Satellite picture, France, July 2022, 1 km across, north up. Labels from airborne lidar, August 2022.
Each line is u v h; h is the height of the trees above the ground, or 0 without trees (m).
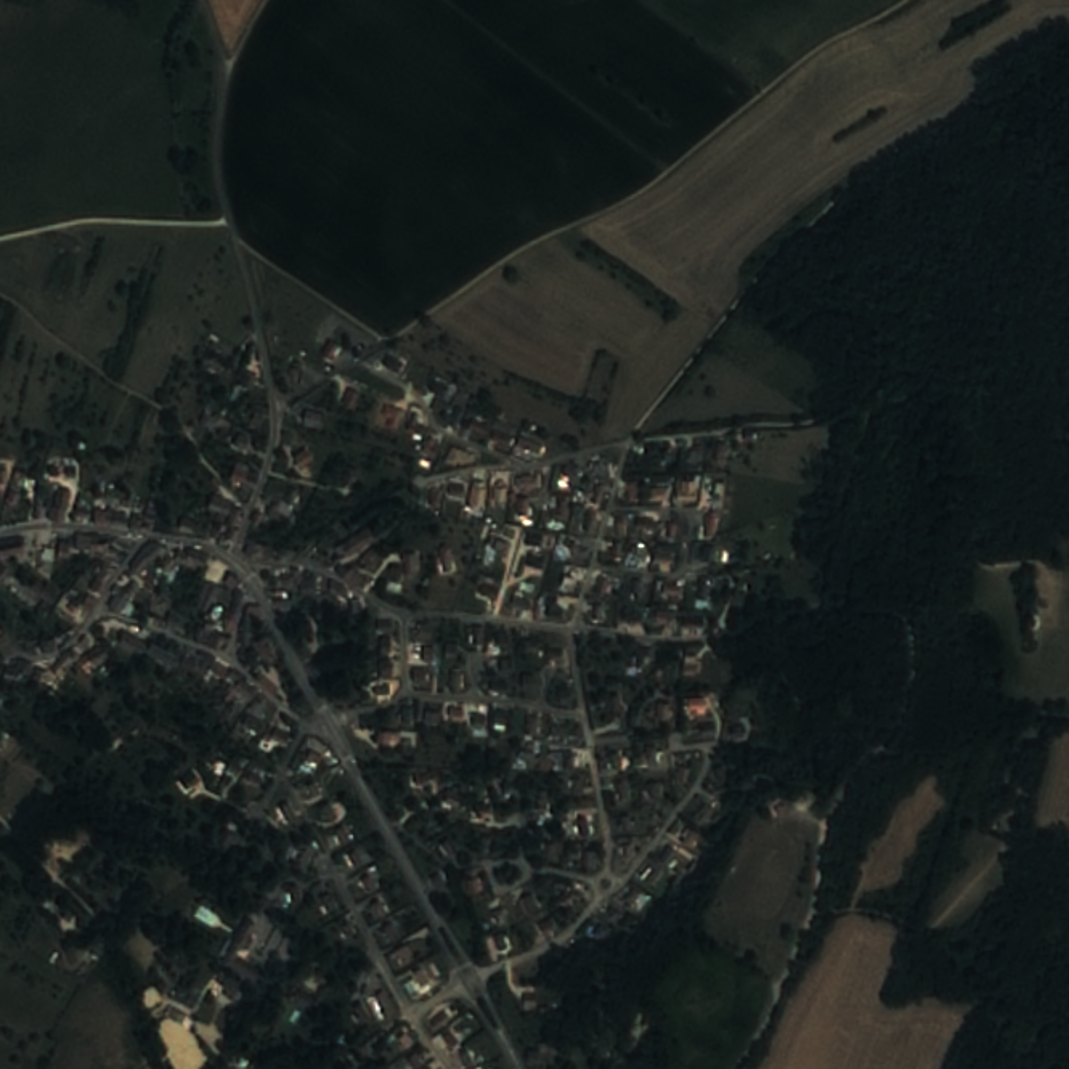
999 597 0
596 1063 9
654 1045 7
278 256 0
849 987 0
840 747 11
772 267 13
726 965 0
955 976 15
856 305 15
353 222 0
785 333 15
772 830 0
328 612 17
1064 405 12
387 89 0
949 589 13
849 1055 0
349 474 0
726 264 0
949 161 20
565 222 0
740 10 0
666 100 0
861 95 0
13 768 0
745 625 13
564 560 0
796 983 10
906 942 16
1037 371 13
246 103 0
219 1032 0
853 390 14
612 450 0
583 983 8
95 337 0
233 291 0
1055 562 12
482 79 0
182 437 7
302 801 0
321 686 19
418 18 0
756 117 0
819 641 12
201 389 6
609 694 7
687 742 0
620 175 0
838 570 15
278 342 0
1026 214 17
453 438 0
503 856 6
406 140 0
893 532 16
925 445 16
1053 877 11
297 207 0
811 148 0
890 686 14
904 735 10
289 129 0
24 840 18
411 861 0
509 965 0
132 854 16
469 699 0
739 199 0
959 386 13
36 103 0
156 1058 11
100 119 0
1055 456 14
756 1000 0
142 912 13
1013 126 8
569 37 0
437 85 0
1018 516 11
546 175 0
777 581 7
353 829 0
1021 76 19
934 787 0
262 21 0
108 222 0
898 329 17
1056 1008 12
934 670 11
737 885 0
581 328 0
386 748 7
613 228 0
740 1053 0
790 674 14
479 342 0
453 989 0
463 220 0
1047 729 12
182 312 0
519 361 0
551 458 0
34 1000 0
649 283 6
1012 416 11
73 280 0
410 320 0
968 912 0
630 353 0
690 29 0
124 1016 0
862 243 14
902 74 0
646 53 0
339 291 0
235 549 0
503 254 0
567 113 0
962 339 16
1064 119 25
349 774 0
